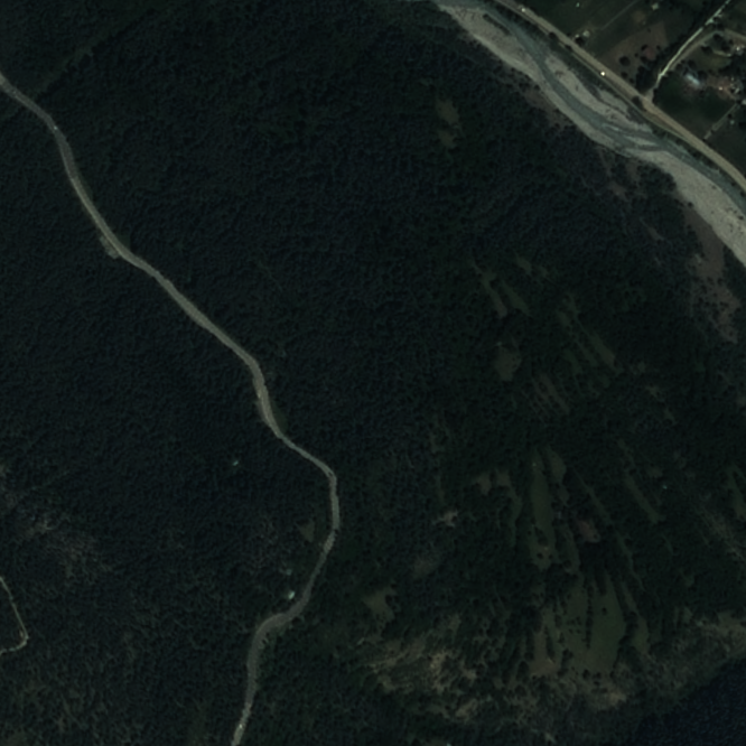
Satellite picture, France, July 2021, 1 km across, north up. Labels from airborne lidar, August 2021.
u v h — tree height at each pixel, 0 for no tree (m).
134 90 21
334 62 14
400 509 6
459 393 19
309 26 20
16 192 14
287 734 9
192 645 15
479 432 11
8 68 15
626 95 0
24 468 16
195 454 12
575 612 0
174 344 22
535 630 9
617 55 0
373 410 20
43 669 12
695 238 6
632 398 12
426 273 22
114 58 24
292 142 9
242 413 19
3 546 8
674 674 7
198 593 20
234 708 9
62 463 18
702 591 10
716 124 0
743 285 9
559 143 15
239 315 20
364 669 10
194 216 22
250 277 16
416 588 14
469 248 20
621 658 9
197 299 18
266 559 9
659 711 13
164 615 13
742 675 19
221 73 22
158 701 16
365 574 7
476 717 6
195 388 20
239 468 9
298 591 10
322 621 8
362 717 10
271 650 8
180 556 12
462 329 12
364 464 16
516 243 10
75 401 16
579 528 11
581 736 6
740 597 8
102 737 8
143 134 19
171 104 15
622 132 0
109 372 18
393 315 23
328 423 20
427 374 20
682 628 10
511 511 14
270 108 26
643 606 17
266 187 20
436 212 11
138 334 11
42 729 9
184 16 16
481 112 23
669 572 12
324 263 20
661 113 0
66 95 15
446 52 17
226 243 19
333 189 22
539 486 0
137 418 18
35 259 13
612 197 12
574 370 13
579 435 13
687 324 14
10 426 13
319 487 11
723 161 0
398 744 11
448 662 5
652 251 13
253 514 14
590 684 0
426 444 9
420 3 8
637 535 18
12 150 13
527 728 11
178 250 18
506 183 12
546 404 10
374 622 7
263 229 21
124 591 15
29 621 11
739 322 9
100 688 13
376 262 19
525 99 8
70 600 16
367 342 15
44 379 14
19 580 12
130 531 19
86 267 16
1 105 9
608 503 15
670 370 13
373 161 32
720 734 15
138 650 11
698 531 11
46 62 19
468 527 18
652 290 11
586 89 0
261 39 24
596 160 15
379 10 10
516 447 14
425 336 20
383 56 12
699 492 7
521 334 16
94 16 23
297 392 17
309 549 6
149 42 23
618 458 11
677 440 10
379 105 24
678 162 0
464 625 7
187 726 13
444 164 18
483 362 17
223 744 9
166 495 26
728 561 6
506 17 7
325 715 15
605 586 11
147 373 17
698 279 9
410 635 11
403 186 18
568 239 11
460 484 16
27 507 13
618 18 0
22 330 14
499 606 15
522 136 10
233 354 18
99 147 19
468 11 0
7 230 12
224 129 17
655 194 9
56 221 12
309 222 6
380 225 10
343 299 16
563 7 0
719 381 9
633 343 11
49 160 13
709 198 0
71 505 14
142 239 17
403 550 15
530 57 0
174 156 20
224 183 21
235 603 12
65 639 7
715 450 11
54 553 11
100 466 18
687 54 0
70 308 13
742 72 11
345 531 13
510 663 7
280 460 18
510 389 21
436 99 7
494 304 13
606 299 11
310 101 29
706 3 11
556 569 11
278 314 13
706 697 8
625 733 8
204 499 28
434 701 6
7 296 13
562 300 11
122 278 12
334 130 23
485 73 15
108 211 15
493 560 10
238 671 19
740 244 0
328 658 7
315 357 19
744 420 9
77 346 17
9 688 9
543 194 18
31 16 11
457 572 7
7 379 15
